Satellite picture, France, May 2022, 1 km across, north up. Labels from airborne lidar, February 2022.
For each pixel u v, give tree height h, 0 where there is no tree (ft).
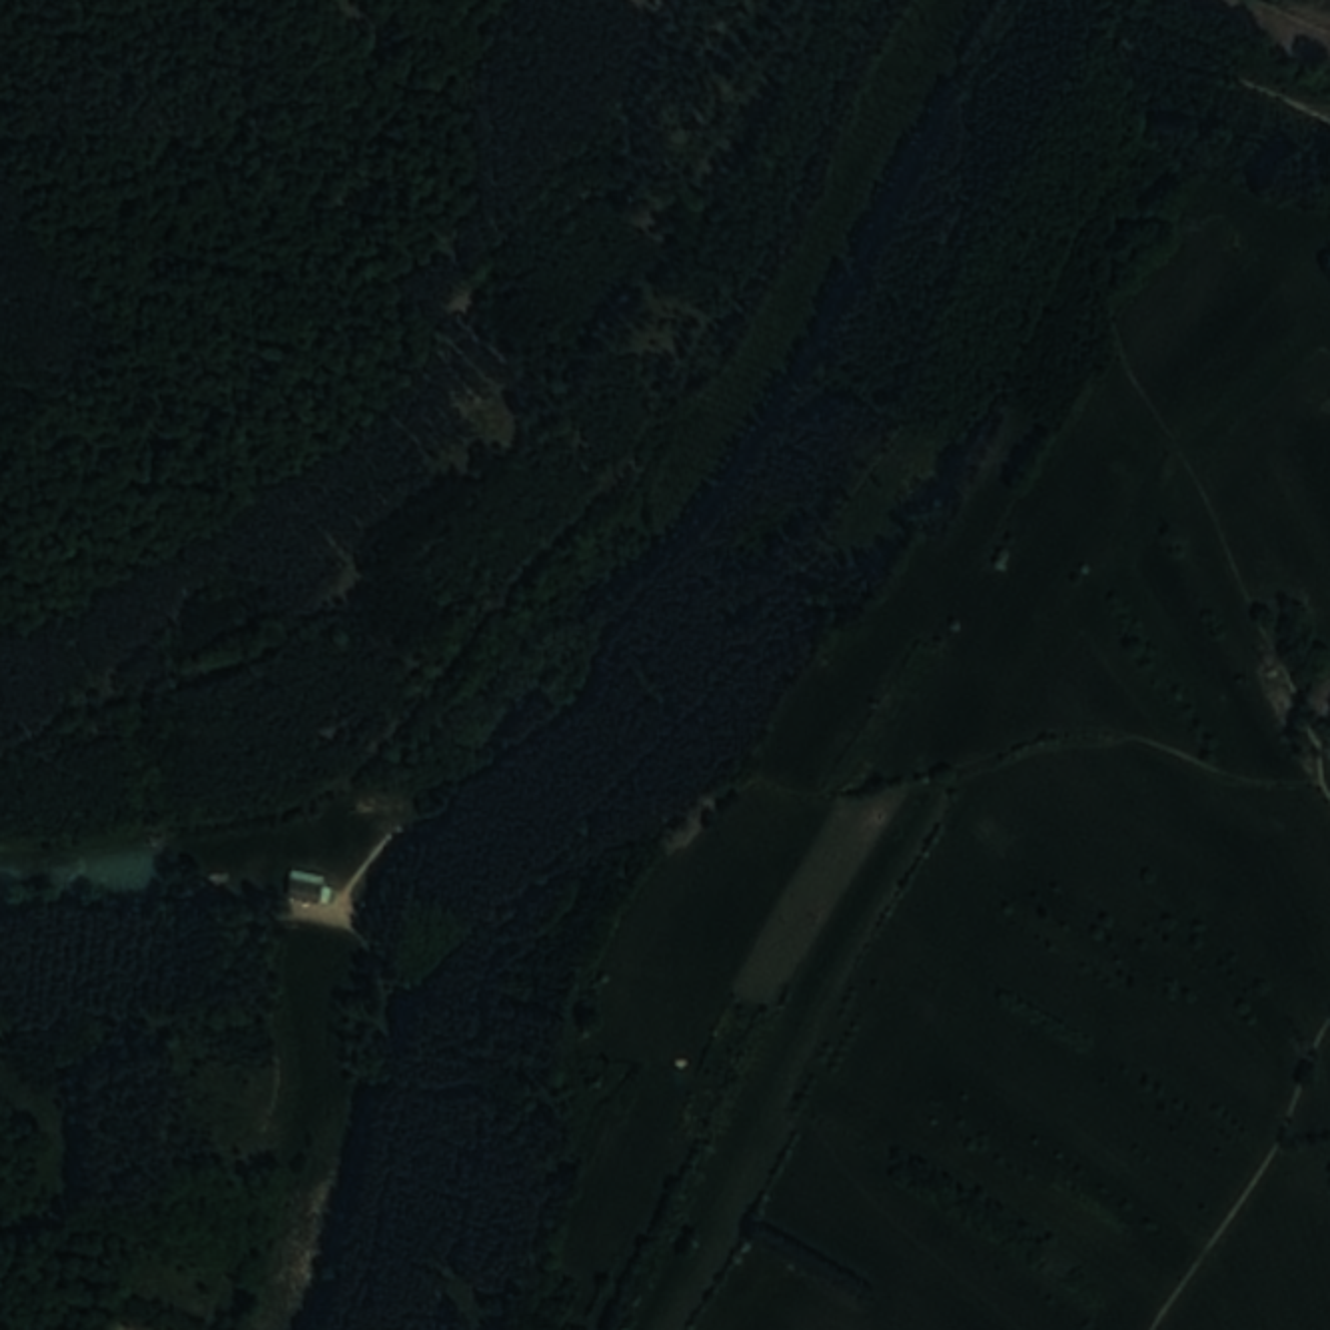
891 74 0
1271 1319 0
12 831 36
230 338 56
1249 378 0
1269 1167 0
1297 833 0
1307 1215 0
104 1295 106
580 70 80
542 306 41
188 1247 82
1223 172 18
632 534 23
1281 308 0
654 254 40
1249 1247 0
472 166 74
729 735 83
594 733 77
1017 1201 0
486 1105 104
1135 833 0
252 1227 86
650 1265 25
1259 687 0
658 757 85
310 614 39
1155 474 0
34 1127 33
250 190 81
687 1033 0
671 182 119
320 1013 0
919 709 0
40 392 56
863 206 0
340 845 0
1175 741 0
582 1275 0
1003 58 73
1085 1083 0
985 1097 0
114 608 73
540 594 47
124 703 26
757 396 0
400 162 79
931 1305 0
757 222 96
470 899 89
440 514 28
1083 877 0
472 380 72
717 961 0
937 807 0
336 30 85
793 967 0
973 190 57
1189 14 97
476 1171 83
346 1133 0
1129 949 0
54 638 65
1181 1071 0
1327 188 85
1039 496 0
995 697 0
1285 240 0
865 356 92
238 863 0
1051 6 53
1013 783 0
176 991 74
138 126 81
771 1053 0
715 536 96
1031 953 0
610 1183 0
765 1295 0
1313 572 0
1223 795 0
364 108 81
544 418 113
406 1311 81
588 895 46
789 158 105
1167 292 0
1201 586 0
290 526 70
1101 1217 0
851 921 0
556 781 98
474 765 63
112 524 92
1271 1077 0
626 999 0
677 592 89
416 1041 106
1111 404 0
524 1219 83
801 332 0
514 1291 75
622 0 79
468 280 41
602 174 37
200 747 41
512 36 83
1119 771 0
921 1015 0
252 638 58
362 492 81
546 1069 87
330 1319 102
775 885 0
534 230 36
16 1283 94
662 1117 0
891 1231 0
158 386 79
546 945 42
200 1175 88
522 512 30
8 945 76
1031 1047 0
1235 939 0
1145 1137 0
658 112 116
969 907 0
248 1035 63
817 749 0
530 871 90
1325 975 0
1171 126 83
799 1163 0
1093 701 0
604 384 36
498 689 78
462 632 28
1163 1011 0
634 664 88
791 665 72
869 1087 0
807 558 87
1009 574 0
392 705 41
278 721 49
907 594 0
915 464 0
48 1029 76
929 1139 0
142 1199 96
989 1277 0
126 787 36
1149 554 0
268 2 90
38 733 29
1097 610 0
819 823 0
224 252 73
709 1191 0
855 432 100
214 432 89
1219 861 0
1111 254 66
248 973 111
